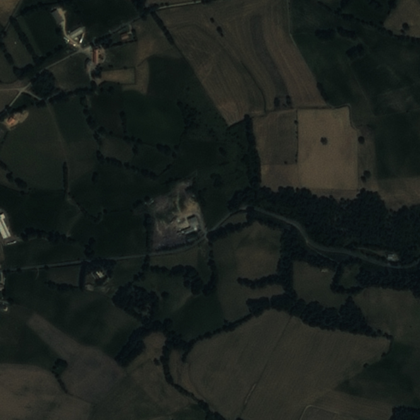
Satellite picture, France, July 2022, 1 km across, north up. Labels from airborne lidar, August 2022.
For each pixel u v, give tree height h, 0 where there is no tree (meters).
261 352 0
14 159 0
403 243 19
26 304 0
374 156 0
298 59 0
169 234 0
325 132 0
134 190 0
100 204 0
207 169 0
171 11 0
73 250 0
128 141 17
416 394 0
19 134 0
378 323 0
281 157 0
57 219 0
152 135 0
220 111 0
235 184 0
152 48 0
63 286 14
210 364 0
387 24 0
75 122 0
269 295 0
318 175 0
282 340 0
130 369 0
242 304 0
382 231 18
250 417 0
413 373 0
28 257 0
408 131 0
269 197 11
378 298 0
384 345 0
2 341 0
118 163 17
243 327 0
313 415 0
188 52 0
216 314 0
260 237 0
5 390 0
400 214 16
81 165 0
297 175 0
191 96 0
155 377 0
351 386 0
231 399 0
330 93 0
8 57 17
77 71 0
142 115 0
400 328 0
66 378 0
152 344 0
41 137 0
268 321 0
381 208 15
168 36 16
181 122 0
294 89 0
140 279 14
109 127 0
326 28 0
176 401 0
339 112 0
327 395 0
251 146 14
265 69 0
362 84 0
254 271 0
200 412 0
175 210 0
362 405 0
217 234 19
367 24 9
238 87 0
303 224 7
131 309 12
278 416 0
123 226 0
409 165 0
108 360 0
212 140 0
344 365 0
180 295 0
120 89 0
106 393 0
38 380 0
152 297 21
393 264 19
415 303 0
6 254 0
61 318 0
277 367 0
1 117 18
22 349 0
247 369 0
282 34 0
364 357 0
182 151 0
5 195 0
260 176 7
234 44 0
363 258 0
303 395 0
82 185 0
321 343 0
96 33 0
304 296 0
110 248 0
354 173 0
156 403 0
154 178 17
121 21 0
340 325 14
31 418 0
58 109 0
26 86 0
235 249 0
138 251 0
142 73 0
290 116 0
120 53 0
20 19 0
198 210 0
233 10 0
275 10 0
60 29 17
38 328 0
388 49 0
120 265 0
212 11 0
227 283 0
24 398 0
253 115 0
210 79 0
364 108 0
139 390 0
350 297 8
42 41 0
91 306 0
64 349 0
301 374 0
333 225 9
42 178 0
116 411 0
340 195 0
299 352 0
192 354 0
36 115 0
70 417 0
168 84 0
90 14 0
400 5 0
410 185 0
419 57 0
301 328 0
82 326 0
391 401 0
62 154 0
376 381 0
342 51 0
